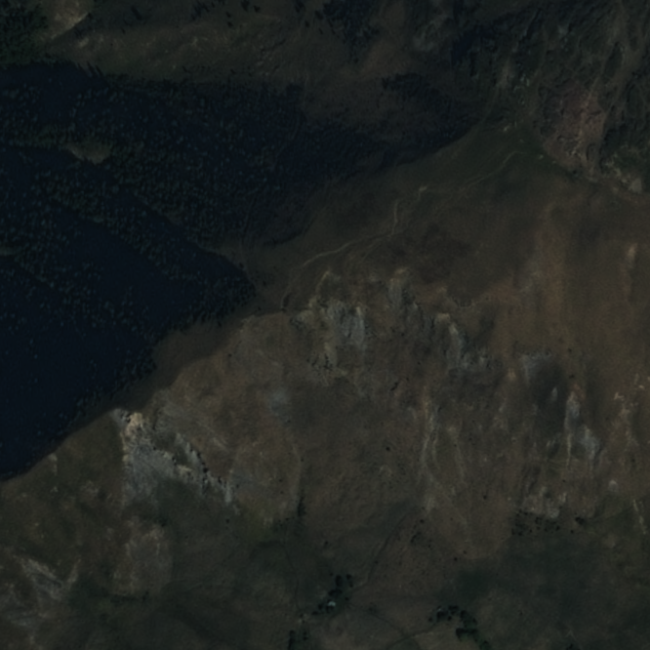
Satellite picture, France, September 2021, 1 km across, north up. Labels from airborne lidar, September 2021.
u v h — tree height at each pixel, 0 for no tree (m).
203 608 0
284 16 0
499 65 0
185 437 0
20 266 12
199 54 0
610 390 0
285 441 0
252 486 0
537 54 0
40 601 0
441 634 0
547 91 0
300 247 0
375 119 0
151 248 6
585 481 0
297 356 0
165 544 0
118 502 0
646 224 0
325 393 0
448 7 0
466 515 0
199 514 0
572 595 0
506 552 0
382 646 0
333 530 0
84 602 0
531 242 0
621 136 0
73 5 0
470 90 0
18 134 11
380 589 0
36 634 0
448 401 0
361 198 0
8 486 0
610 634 0
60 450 0
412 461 0
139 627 0
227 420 0
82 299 6
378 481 0
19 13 13
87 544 0
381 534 0
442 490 0
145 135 11
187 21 0
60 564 0
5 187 9
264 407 0
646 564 0
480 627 0
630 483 0
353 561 0
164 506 0
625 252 0
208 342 0
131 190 12
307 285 0
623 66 0
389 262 0
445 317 0
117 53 0
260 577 0
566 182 0
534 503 0
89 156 0
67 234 12
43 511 0
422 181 0
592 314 0
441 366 0
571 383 0
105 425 0
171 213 10
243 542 0
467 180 0
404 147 0
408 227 0
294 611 0
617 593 0
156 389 0
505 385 0
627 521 0
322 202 0
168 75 0
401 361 0
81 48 0
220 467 0
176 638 0
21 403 0
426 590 0
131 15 0
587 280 0
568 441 0
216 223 7
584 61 0
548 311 0
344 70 0
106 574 0
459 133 0
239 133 9
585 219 0
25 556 0
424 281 0
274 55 0
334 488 0
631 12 0
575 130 0
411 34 0
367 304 0
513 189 0
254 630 0
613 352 0
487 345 0
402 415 0
